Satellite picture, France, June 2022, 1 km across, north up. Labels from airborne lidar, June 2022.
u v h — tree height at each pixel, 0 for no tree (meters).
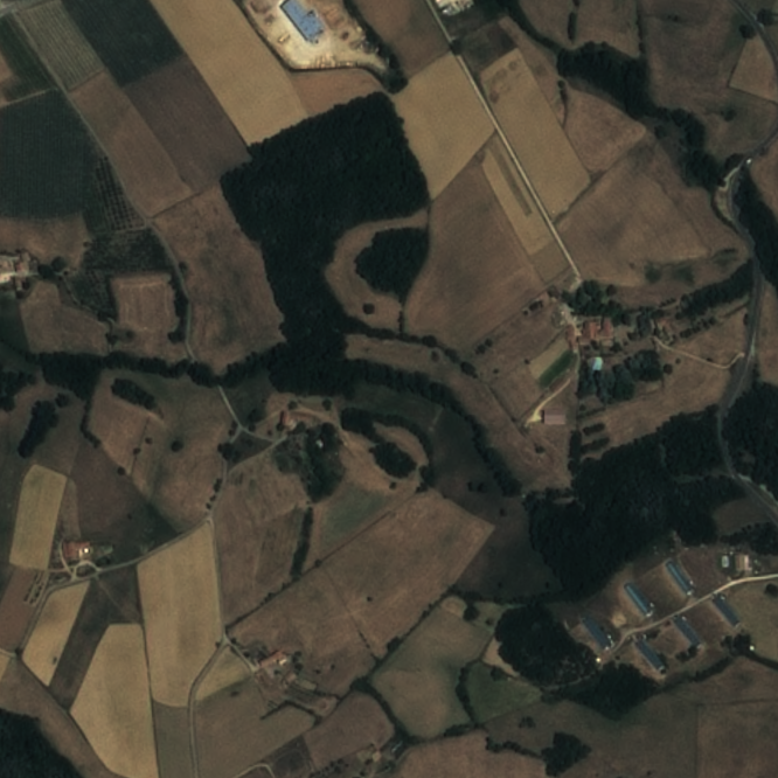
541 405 0
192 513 0
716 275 0
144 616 0
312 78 0
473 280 0
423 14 0
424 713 0
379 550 0
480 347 6
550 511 16
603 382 29
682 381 0
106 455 0
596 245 0
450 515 0
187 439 0
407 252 19
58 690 0
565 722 0
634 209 0
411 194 18
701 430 13
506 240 0
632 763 0
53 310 0
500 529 0
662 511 14
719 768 0
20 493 0
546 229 0
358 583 0
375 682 0
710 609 0
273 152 16
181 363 10
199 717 0
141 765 0
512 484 27
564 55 9
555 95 0
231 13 0
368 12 0
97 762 0
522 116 0
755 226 16
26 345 0
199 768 0
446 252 0
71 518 0
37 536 0
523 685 0
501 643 8
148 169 0
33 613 0
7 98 0
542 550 14
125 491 0
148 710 0
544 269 0
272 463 0
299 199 12
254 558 0
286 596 0
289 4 0
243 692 0
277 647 0
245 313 0
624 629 0
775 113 0
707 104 0
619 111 0
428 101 0
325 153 14
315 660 0
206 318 0
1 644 0
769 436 23
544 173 0
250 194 13
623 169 0
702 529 8
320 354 20
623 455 15
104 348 0
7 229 0
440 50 0
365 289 0
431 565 0
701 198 0
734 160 13
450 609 0
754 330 0
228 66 0
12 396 11
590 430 9
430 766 0
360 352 0
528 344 0
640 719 0
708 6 0
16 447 0
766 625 0
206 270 0
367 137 19
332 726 0
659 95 0
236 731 0
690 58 0
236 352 0
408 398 0
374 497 0
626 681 7
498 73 0
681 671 0
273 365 15
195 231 0
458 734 8
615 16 0
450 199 0
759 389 13
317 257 12
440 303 0
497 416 0
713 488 17
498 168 0
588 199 0
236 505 0
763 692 0
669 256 0
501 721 0
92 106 0
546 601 14
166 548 0
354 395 13
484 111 0
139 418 0
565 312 0
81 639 0
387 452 12
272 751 0
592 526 29
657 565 0
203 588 0
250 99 0
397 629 0
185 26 0
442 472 0
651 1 0
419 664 0
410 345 10
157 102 0
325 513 0
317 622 0
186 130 0
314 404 0
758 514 0
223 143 0
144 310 0
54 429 24
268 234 6
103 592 0
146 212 0
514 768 0
